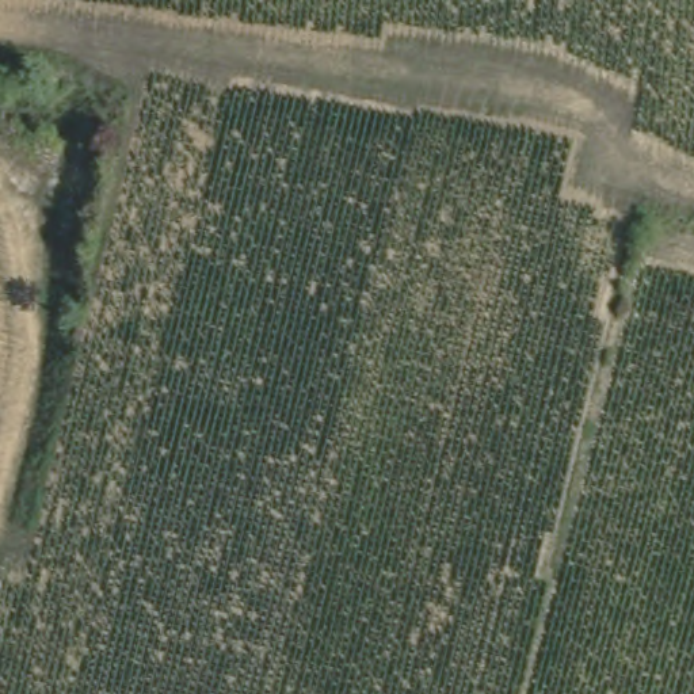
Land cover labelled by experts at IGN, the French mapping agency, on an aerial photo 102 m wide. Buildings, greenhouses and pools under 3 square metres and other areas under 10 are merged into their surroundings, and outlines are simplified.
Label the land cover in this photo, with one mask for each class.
<instances>
[{"label":"vineyard","instance_id":"1","mask_svg":"<svg viewBox=\"0 0 694 694\"><path fill-rule=\"evenodd\" d=\"M117 5L163 8L187 16H239L249 24H312L320 33L344 30L366 38L380 35L382 24L393 22L439 27L447 33H458L464 27H483L504 38H553L556 43H564L569 54L583 57L599 68L615 70L621 76H629V70H640L629 125L694 157V0H95ZM57 98L62 100L60 108H33L24 100L8 106V122H22V114H33L38 127H57L60 117L68 108L100 117V130L92 138L95 149L100 152V184L95 198L81 209L84 241L76 249L87 293V298L81 301L92 306V317L84 328L76 331L73 369L68 380L76 388V396H65L54 412L49 431L52 447L38 453L35 458H27L22 453L16 464L14 488L5 499V518L0 526V694H694V274L656 266L648 268L637 274L634 290L640 320L621 325L610 314L615 244L610 233V220H599L591 211V206L561 201V176L569 152V138H556L529 127H502L461 117H442L431 111L385 114L331 100H306L247 87L225 89L217 106H209V89L203 84H190L165 73H146L130 76L122 84L114 76L100 73L98 68L79 65L73 68V76L57 79Z\"/></svg>","mask_w":694,"mask_h":694},{"label":"herbaceous vegetation","instance_id":"2","mask_svg":"<svg viewBox=\"0 0 694 694\"><path fill-rule=\"evenodd\" d=\"M0 41L49 46L54 49V54H65L79 65L98 68L100 73L114 76L122 84L130 76L146 73H165L190 84H203L209 89V106H217L225 89L247 87L306 100H331L385 114L431 111L442 117H461L502 127H529L556 138H569V152L561 176V201L591 206V211L599 220H621L629 211V206L659 209L664 239L648 255H640V260L648 268L656 266L694 274V157L629 125L640 70H629V76H621L615 70L599 68L583 57L569 54L564 43H556L553 38H504L483 27H464L458 33H447L439 27L393 22L382 24L380 35L366 38L344 30L320 33L312 24H249L239 16H187L163 8L117 5L95 0H0ZM8 106H0V526L5 518V499L14 488L16 464L22 453L38 388L41 306L46 304V279L68 298L79 301H81L87 298V293L76 249L84 241L81 209L95 198L100 184V152L95 149L92 138L100 130V117L68 108L60 117L57 127H38L33 114H22V122H8Z\"/></svg>","mask_w":694,"mask_h":694},{"label":"deciduous trees","instance_id":"3","mask_svg":"<svg viewBox=\"0 0 694 694\"><path fill-rule=\"evenodd\" d=\"M79 65L65 54H54V49L49 46L0 41V106H8L24 100L33 108H60L62 100L57 98V79L73 76V68ZM610 233L615 244L610 314L621 325L640 320L634 290L637 274L648 268L640 260V255H648L664 239L659 209L629 206V211L621 220H610ZM92 317V306L81 301H79L76 306H68V312L60 317V331H76L84 328Z\"/></svg>","mask_w":694,"mask_h":694},{"label":"brushwood","instance_id":"4","mask_svg":"<svg viewBox=\"0 0 694 694\"><path fill-rule=\"evenodd\" d=\"M79 301L68 298L46 279V304L41 306L38 388L22 453L27 458H35L38 453L52 447L49 431L54 412L65 396H76V388L68 380L73 369L76 331H60V317L68 312V306H76Z\"/></svg>","mask_w":694,"mask_h":694}]
</instances>
